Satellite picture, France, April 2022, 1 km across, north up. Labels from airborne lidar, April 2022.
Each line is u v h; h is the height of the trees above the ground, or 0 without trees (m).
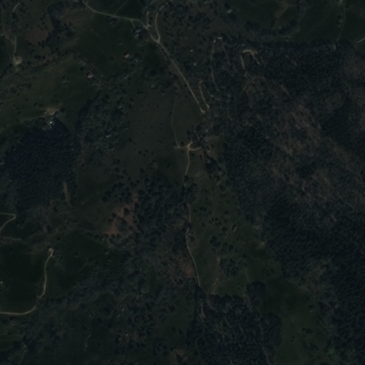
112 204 0
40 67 16
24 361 0
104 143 12
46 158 29
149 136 0
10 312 0
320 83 17
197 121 0
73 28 20
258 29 23
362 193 17
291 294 0
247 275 0
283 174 22
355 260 38
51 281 0
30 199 26
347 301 25
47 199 20
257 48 18
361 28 0
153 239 19
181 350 0
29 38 0
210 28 9
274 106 27
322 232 29
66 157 20
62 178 22
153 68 0
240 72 17
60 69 0
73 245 0
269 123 26
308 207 24
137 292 7
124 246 16
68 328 0
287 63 18
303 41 0
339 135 22
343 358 18
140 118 0
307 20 0
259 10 0
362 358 10
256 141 13
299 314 0
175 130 0
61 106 0
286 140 25
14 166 30
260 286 27
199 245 0
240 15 0
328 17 0
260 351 30
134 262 9
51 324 0
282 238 19
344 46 8
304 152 25
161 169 0
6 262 0
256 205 24
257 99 26
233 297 0
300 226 23
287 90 18
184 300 0
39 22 0
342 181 20
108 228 0
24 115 0
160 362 0
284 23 0
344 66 22
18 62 0
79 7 12
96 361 0
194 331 20
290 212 22
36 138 6
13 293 0
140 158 0
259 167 27
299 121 27
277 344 27
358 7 0
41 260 0
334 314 10
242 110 14
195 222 0
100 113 22
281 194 23
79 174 0
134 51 0
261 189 26
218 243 10
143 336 9
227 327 36
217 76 8
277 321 36
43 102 0
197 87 7
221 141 0
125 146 0
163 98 0
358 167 21
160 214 11
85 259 0
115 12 0
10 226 0
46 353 0
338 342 24
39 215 16
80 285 12
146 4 19
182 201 9
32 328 25
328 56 21
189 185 0
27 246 0
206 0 18
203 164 0
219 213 0
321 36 0
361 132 18
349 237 24
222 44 15
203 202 0
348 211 15
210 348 11
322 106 22
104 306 0
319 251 28
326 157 23
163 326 0
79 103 0
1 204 0
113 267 0
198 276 0
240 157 24
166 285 8
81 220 0
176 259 6
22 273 0
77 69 0
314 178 27
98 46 0
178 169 0
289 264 17
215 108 16
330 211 24
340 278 25
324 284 17
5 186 29
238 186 26
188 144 0
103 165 0
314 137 22
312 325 0
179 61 16
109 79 9
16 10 0
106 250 8
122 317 0
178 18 10
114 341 0
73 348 0
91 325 0
